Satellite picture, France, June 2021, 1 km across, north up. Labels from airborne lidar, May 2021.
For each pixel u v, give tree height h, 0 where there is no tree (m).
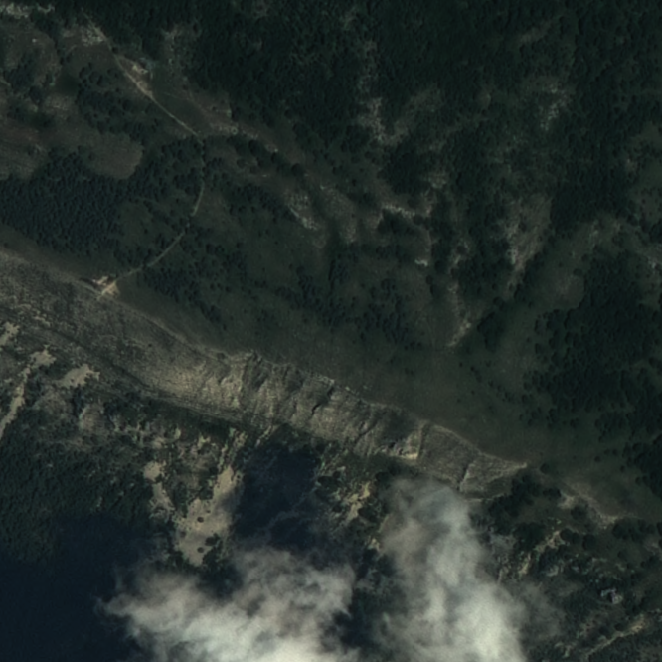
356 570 5
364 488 0
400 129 0
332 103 17
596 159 12
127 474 7
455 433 0
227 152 0
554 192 8
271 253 0
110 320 0
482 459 0
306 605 12
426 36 14
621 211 10
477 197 6
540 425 0
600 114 12
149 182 8
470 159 15
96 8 10
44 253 0
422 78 16
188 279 8
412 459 0
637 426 9
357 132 8
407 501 12
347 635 9
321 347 0
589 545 13
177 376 0
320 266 0
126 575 9
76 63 0
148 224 0
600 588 6
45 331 0
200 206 0
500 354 0
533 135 6
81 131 0
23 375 0
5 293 0
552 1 12
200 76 11
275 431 0
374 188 0
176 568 8
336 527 0
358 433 0
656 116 14
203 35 6
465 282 9
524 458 0
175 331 0
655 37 8
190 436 0
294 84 12
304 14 11
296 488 0
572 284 0
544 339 0
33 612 8
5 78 7
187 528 0
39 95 10
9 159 0
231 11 14
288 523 11
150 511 0
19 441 8
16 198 13
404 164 14
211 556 7
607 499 0
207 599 9
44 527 10
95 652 13
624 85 11
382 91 11
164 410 0
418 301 0
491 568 6
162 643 17
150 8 7
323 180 0
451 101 8
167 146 8
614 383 9
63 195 12
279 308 0
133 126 8
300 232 0
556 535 0
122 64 0
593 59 9
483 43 11
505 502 14
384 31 14
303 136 12
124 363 0
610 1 17
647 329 12
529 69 10
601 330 8
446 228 9
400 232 10
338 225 0
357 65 12
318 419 0
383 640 8
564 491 0
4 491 8
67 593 12
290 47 16
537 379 7
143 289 0
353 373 0
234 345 0
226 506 0
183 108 0
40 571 12
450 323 0
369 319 11
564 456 0
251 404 0
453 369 0
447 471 0
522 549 7
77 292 0
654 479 14
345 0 15
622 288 10
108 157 0
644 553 0
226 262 6
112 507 7
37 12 5
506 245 8
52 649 6
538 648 8
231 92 9
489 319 11
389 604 7
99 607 12
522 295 11
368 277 0
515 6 19
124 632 6
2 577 12
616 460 0
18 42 0
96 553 8
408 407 0
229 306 0
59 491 12
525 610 6
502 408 0
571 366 12
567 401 11
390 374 0
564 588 6
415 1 14
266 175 0
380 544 0
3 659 13
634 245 0
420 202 0
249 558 0
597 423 9
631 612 9
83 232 11
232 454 0
